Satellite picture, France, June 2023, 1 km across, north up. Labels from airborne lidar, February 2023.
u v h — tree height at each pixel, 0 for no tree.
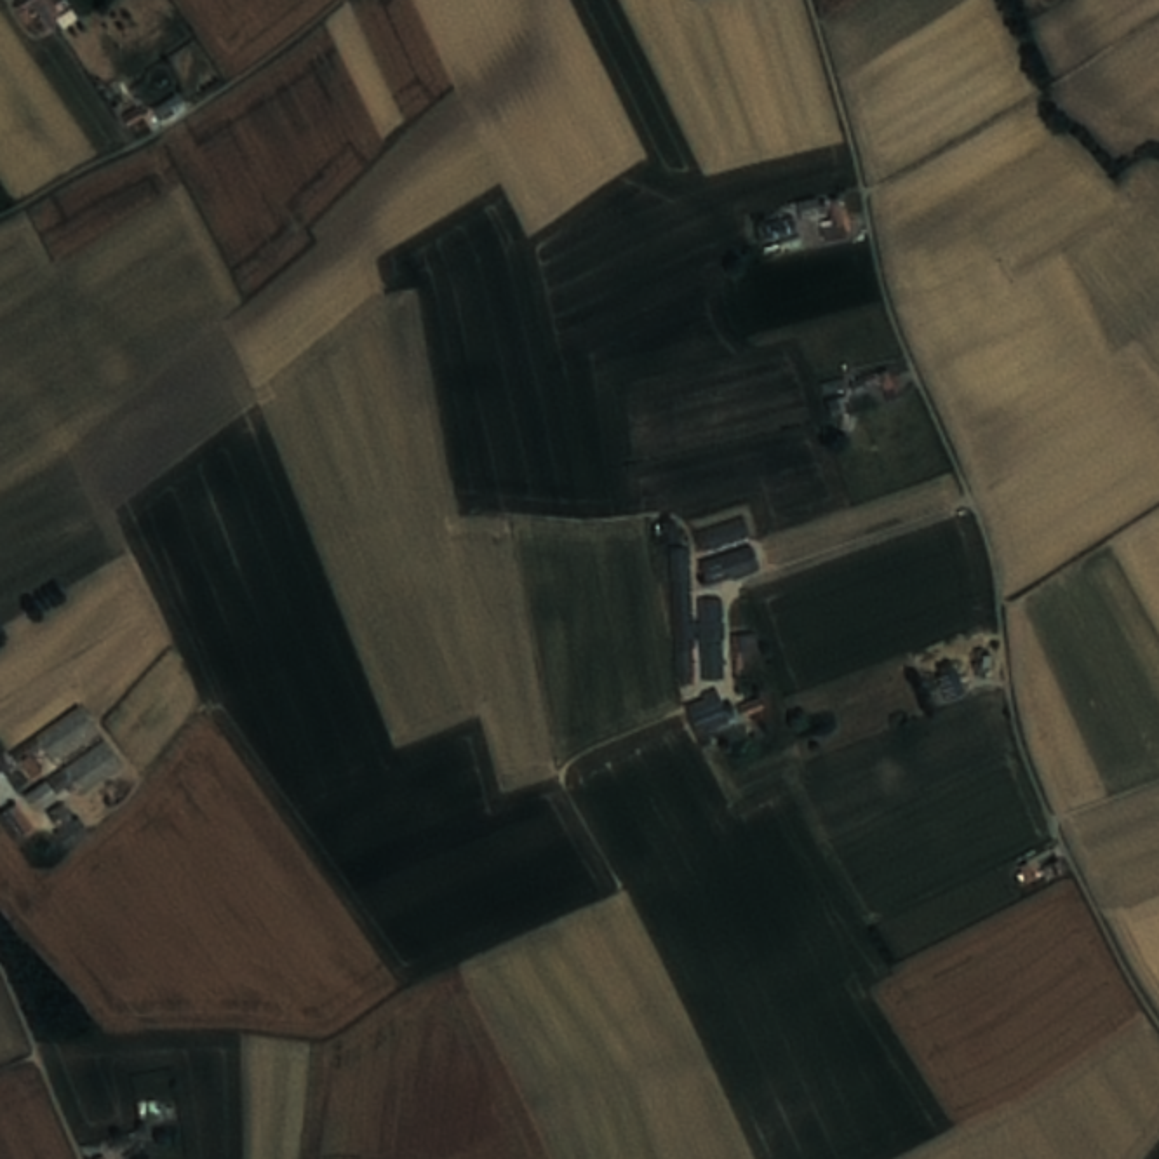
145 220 0
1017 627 0
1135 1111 0
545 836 0
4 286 0
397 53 0
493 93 0
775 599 0
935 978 0
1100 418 0
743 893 0
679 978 0
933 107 0
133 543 0
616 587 0
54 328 0
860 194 0
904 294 0
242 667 0
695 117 0
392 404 0
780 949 0
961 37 0
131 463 0
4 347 0
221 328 0
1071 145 0
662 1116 0
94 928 0
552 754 0
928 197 0
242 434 0
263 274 0
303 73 0
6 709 0
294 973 0
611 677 0
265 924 0
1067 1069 0
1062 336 0
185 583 0
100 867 0
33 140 0
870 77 0
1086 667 0
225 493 0
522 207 0
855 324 0
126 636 0
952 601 0
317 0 0
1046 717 0
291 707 0
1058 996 0
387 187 0
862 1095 0
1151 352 0
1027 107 0
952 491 0
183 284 0
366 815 0
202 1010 0
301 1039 0
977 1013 0
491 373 0
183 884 0
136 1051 0
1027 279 0
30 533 0
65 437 0
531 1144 0
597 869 0
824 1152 0
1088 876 0
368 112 0
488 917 0
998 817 0
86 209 0
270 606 0
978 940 0
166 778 0
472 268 0
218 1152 0
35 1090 0
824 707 0
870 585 0
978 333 0
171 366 0
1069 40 0
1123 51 0
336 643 0
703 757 0
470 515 0
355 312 0
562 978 0
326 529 0
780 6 0
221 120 0
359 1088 0
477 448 0
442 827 0
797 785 0
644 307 0
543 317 0
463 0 0
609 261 0
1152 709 0
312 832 0
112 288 0
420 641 0
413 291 0
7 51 0
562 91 0
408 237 0
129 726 0
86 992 0
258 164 0
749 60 0
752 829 0
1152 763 0
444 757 0
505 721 0
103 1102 0
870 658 0
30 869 0
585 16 0
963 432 0
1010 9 14
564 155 0
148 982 0
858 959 0
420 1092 0
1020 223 0
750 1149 0
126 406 0
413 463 0
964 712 0
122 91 0
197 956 0
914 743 0
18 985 22
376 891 0
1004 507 0
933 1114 0
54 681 0
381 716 0
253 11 0
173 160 0
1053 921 0
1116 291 0
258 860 0
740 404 0
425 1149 0
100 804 0
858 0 0
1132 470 0
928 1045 0
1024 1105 0
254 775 0
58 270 0
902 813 0
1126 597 0
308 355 0
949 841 0
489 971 0
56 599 17
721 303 0
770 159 0
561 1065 0
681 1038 0
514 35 0
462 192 0
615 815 0
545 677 0
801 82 0
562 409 0
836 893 0
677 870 0
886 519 0
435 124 0
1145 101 0
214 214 0
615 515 0
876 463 0
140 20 0
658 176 0
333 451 0
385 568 0
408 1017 0
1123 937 0
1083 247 0
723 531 0
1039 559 0
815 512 0
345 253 0
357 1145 0
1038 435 0
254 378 0
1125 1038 0
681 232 0
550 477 0
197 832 0
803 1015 0
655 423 0
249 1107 0
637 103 0
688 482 0
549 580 0
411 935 0
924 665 0
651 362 0
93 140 0
